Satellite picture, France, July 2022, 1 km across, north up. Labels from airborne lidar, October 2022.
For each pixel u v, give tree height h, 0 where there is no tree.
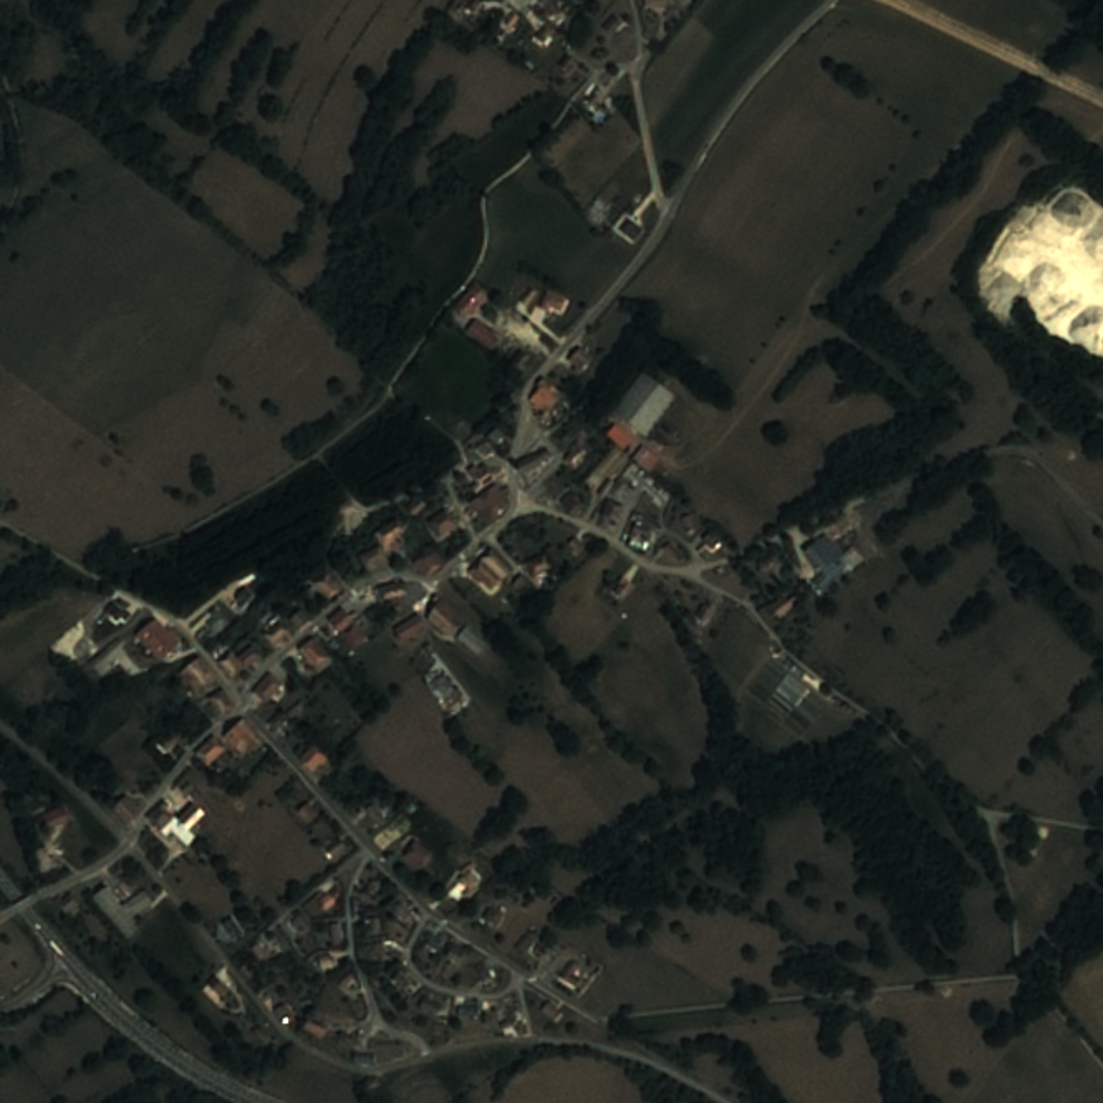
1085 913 19
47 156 0
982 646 0
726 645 0
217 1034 15
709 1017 0
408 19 0
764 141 0
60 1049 0
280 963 11
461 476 15
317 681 6
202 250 0
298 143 0
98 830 0
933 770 15
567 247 0
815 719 0
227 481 0
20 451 0
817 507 19
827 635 0
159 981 16
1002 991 0
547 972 0
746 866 14
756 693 0
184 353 0
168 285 0
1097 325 0
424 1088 0
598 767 0
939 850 20
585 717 0
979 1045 0
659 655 0
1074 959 15
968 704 0
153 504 0
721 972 0
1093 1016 0
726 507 0
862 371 30
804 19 0
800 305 0
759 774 23
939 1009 0
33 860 10
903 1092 22
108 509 0
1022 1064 0
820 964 16
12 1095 0
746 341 0
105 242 0
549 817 0
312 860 0
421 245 0
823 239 0
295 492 9
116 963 6
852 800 19
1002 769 0
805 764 24
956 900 11
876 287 24
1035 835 17
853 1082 0
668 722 0
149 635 0
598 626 0
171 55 0
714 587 0
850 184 0
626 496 0
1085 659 0
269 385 0
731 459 0
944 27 0
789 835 0
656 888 15
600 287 0
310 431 18
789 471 0
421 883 16
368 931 10
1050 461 0
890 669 0
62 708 19
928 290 0
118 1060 10
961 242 0
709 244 0
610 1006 0
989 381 0
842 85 13
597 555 18
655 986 0
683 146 0
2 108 18
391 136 8
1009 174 0
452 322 6
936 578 21
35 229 0
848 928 0
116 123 6
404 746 0
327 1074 0
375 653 0
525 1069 9
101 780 22
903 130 0
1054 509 0
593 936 0
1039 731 0
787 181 0
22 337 0
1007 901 13
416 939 0
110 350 0
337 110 0
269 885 0
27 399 0
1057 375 6
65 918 10
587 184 0
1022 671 0
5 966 0
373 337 18
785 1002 0
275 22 0
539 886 17
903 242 23
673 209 0
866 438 16
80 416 0
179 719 11
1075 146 17
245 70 19
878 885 14
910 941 14
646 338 24
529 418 0
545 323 0
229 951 0
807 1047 0
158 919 0
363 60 0
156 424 0
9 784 18
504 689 0
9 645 0
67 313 0
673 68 0
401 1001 15
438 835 0
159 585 12
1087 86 0
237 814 0
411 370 11
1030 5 0
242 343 0
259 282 0
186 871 0
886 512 0
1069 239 0
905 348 18
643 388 0
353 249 17
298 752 8
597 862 23
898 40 0
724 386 24
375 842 0
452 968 0
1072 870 0
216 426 0
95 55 19
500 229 0
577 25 9
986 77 0
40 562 13
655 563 0
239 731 0
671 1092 11
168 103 19
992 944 0
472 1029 0
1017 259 0
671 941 0
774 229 0
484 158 0
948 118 0
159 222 0
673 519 0
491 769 10
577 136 0
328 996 0
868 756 19
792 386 7
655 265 0
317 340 0
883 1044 10
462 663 0
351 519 0
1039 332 16
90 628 0
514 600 7
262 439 0
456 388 0
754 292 0
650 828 20
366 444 9
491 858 0
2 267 0
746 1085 5
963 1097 0
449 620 0
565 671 15
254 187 0
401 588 0
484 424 8
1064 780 0
